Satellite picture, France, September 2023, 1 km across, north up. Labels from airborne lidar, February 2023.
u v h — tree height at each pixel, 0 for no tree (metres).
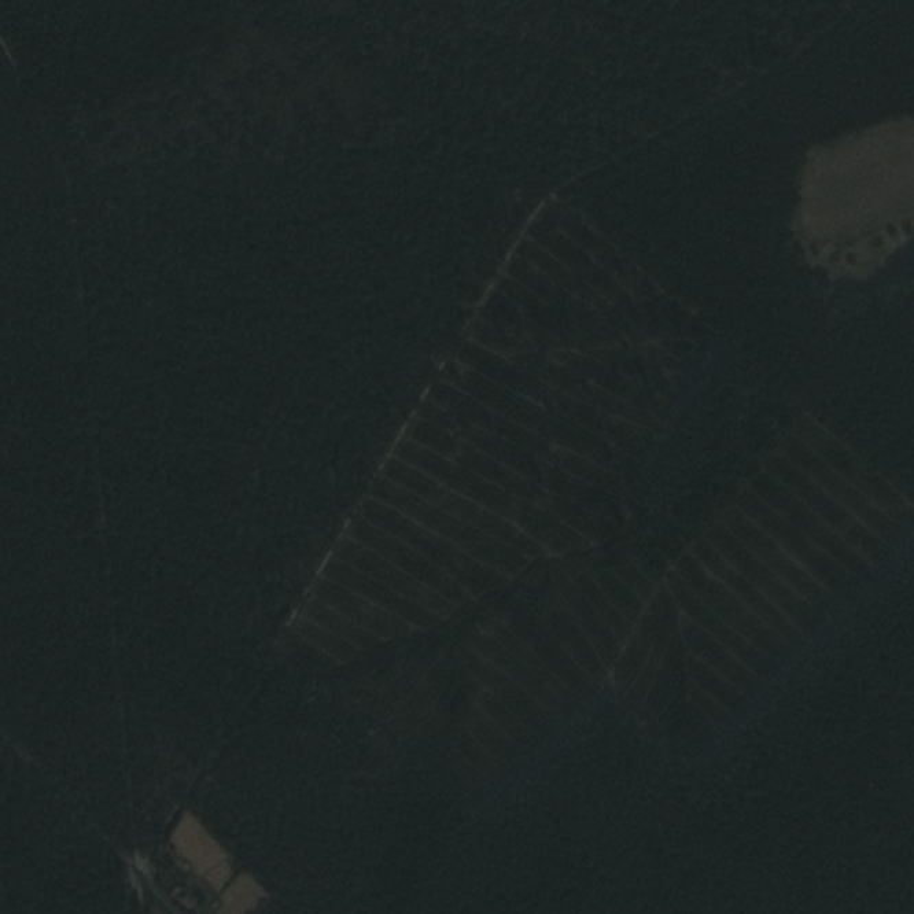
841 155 0
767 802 26
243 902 0
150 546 30
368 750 22
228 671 30
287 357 26
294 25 18
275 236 27
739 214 23
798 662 26
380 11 18
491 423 22
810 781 26
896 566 29
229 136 15
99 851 28
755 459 36
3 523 25
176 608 28
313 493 33
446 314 28
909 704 26
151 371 27
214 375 31
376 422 29
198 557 31
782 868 27
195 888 0
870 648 29
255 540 29
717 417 36
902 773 24
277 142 17
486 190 26
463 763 0
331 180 24
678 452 37
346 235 24
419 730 0
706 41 21
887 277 19
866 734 27
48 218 24
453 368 33
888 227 6
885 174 0
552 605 0
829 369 22
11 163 27
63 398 22
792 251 22
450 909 25
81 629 25
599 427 9
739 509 0
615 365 0
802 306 24
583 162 13
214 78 15
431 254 24
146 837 22
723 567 0
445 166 15
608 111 18
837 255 0
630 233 24
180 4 26
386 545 32
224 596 30
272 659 23
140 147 16
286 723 27
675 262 23
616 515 33
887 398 18
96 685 24
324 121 14
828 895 27
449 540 0
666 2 18
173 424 27
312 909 28
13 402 24
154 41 25
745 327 22
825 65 19
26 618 26
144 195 29
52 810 26
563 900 27
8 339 25
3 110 21
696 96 17
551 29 21
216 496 29
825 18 18
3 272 26
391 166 21
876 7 21
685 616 0
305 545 31
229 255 26
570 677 0
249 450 26
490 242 26
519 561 34
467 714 0
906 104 23
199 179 27
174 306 30
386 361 33
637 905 24
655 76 19
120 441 28
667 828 27
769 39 20
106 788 26
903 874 27
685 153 22
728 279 22
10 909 22
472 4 16
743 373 35
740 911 27
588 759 26
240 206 28
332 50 16
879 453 24
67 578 27
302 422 27
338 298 27
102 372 27
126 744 23
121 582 27
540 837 28
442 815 28
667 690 0
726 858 26
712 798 25
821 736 23
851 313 23
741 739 26
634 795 28
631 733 28
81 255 16
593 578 0
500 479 33
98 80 29
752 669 0
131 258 30
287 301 25
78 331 23
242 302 24
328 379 27
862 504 0
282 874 26
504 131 18
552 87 18
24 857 26
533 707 0
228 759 26
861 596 29
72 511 26
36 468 23
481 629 0
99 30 24
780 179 20
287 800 28
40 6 27
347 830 28
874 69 22
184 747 25
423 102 20
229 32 16
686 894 27
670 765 27
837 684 26
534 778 24
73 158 19
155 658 26
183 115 15
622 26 16
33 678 25
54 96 29
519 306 32
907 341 20
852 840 26
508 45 14
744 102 21
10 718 26
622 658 0
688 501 32
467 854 24
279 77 21
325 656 27
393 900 31
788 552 0
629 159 21
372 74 21
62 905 16
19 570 25
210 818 22
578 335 37
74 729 26
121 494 24
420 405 0
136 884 0
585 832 28
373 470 28
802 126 21
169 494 27
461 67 24
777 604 0
